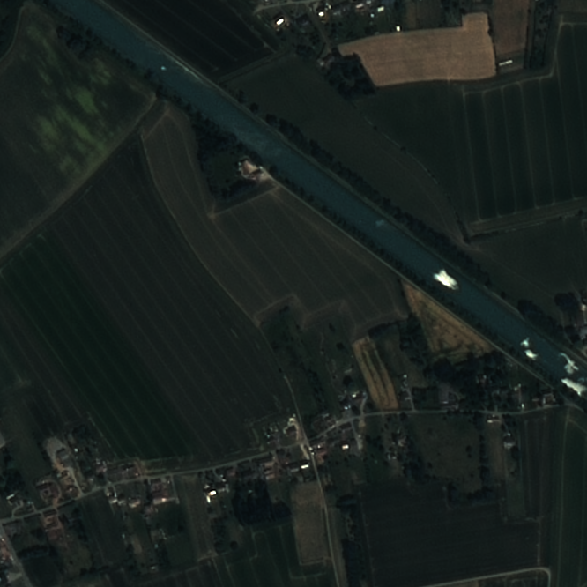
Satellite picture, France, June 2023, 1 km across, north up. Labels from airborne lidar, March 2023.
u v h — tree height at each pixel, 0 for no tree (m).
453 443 0
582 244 0
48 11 0
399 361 0
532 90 0
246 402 0
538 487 0
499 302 0
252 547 0
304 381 0
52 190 0
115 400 0
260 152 0
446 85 0
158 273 0
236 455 0
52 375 0
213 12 0
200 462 0
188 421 0
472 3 0
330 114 0
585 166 0
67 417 0
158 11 0
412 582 0
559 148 0
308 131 0
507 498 0
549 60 0
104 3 0
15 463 9
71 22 12
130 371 0
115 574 0
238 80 0
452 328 0
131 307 0
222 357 0
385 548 0
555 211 0
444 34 0
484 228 0
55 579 0
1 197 0
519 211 0
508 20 0
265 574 0
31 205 0
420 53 0
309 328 0
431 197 0
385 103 0
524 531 0
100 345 0
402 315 0
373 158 0
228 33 0
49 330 0
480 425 17
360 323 0
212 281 0
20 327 0
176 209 0
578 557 0
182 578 0
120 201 0
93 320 0
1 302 0
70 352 0
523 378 0
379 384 0
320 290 0
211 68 0
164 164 0
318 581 0
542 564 0
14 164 0
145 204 0
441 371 25
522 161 0
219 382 0
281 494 0
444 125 0
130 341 0
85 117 0
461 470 0
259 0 0
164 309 0
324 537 0
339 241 0
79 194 0
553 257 0
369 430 0
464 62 0
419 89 0
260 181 0
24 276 0
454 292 0
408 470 13
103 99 0
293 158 0
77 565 0
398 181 0
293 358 0
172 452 0
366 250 0
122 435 0
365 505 0
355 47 0
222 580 0
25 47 0
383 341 0
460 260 29
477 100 0
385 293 0
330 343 0
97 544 0
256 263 0
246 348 0
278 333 0
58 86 0
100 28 0
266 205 0
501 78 0
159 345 0
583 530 0
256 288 0
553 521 0
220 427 0
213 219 0
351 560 25
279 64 0
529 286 0
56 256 0
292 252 0
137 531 0
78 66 0
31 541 0
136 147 0
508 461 0
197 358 0
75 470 0
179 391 0
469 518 0
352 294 0
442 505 0
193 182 0
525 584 0
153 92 0
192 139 0
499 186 0
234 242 0
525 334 0
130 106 0
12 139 0
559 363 0
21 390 0
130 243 0
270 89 0
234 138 16
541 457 0
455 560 0
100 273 0
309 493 0
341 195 0
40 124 0
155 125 0
